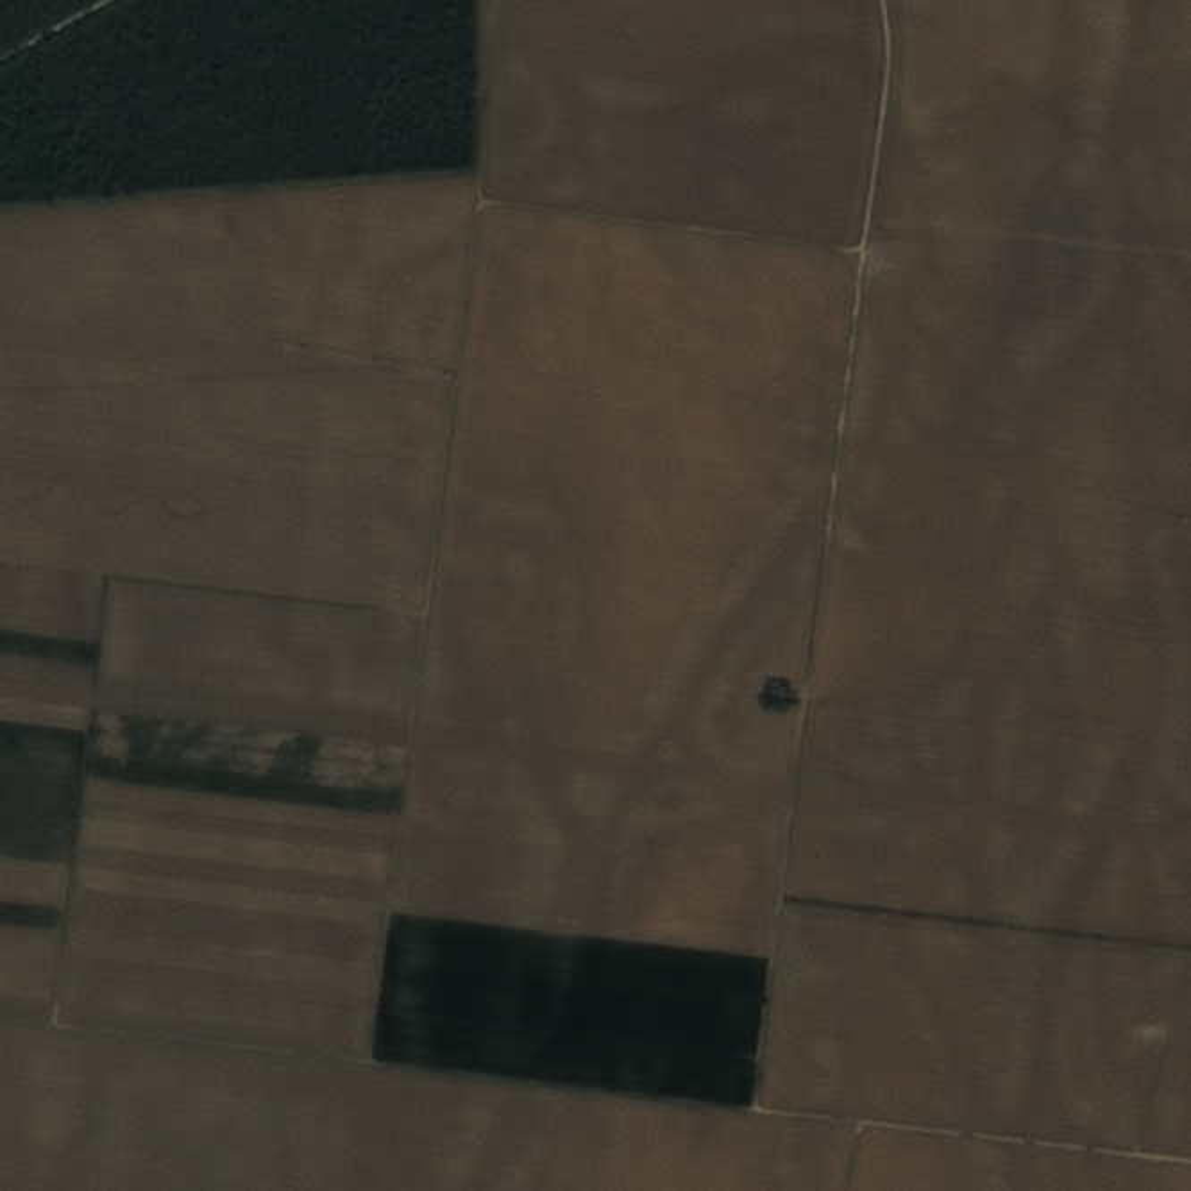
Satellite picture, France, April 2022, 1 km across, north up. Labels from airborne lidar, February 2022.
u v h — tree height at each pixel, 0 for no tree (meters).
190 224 0
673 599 0
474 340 0
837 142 0
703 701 0
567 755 0
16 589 0
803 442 0
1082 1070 0
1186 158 0
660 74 0
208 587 0
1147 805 0
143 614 0
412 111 7
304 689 0
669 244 0
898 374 0
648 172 0
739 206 0
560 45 0
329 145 8
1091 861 0
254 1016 0
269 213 0
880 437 0
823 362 0
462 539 0
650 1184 0
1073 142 0
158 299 0
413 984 0
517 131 0
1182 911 0
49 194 9
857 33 0
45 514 0
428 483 0
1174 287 0
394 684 0
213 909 0
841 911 0
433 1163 0
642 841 0
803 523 0
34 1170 0
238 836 0
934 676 0
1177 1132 0
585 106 0
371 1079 0
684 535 0
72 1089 0
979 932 0
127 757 0
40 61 9
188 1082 0
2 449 0
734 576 0
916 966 0
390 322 0
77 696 0
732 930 0
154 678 0
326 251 0
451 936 0
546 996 0
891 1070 0
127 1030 0
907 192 0
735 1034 0
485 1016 0
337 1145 0
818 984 0
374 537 0
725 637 0
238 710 0
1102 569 0
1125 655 0
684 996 0
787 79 0
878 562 0
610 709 0
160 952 0
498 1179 0
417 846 0
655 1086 0
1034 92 0
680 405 0
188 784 0
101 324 0
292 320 0
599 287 0
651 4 0
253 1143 0
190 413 0
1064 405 0
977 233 0
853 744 0
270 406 0
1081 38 0
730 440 0
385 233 0
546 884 0
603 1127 0
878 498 0
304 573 0
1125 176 0
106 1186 0
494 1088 0
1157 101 0
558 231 0
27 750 0
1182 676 0
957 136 0
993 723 0
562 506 0
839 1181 0
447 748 0
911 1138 0
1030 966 0
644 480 0
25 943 0
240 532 0
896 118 0
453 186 0
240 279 0
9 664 0
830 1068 0
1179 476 0
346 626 0
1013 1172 0
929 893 0
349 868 0
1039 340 0
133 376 0
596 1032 0
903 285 0
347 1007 0
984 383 0
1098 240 0
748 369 0
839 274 0
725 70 0
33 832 0
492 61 0
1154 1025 0
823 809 0
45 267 0
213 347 0
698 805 0
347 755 0
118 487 0
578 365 0
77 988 0
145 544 0
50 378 0
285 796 0
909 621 0
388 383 0
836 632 0
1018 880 0
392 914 0
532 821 0
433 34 8
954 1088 0
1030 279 0
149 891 0
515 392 0
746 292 0
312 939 0
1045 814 0
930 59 0
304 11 9
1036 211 0
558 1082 0
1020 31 0
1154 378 0
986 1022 0
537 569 0
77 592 0
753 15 0
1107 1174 0
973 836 0
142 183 8
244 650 0
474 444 0
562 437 0
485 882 0
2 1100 0
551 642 0
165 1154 0
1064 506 0
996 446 0
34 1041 0
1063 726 0
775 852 0
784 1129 0
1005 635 0
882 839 0
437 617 0
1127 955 0
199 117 9
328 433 0
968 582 0
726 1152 0
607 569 0
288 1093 0
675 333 0
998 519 0
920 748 0
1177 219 0
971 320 0
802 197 0
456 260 0
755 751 0
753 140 0
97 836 0
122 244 0
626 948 0
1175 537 0
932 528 0
